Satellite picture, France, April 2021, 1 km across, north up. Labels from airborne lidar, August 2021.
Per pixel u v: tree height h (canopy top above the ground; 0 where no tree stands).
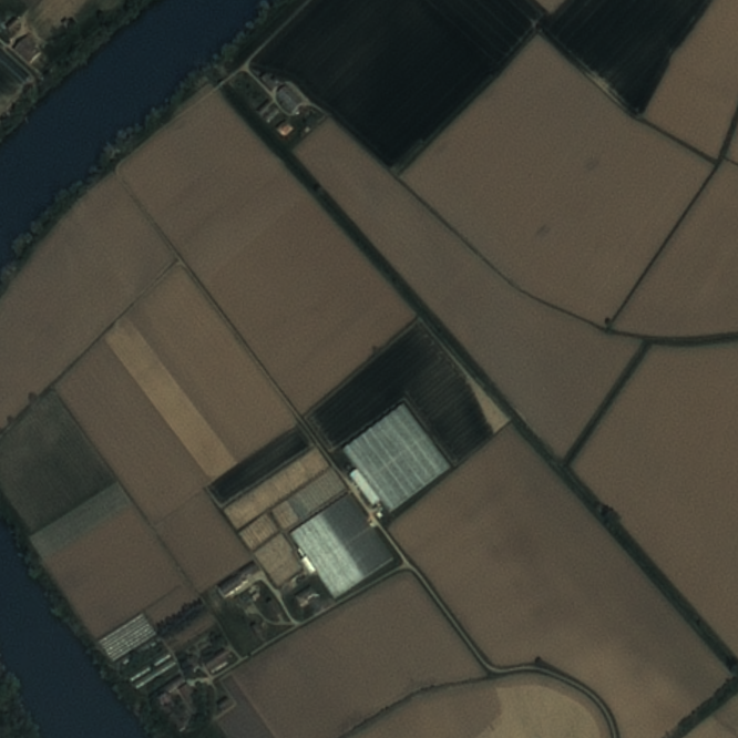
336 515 0
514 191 0
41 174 0
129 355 0
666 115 0
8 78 0
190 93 7
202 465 0
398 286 8
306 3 0
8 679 19
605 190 0
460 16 0
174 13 0
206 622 0
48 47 0
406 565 0
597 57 0
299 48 0
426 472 0
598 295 0
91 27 0
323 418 0
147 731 11
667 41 0
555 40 0
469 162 0
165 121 0
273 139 0
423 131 0
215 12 0
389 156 0
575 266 0
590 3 0
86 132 0
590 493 0
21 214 0
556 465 0
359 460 0
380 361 0
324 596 0
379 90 0
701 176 0
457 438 0
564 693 0
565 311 0
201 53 0
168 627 16
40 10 0
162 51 0
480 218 0
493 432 0
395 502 0
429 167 0
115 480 0
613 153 0
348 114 0
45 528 0
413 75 0
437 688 6
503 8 0
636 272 0
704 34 0
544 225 0
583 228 0
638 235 0
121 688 13
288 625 0
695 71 0
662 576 0
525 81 0
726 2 0
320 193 11
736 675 21
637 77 0
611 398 0
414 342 0
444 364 0
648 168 0
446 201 0
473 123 0
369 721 6
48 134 0
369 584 0
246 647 0
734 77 0
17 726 18
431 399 0
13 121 13
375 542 0
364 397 0
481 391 0
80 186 11
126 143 15
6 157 0
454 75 0
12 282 7
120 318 0
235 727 0
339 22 0
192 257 0
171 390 0
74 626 15
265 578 0
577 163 0
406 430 0
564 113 0
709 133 0
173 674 0
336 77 0
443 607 0
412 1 0
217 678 0
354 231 0
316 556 0
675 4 0
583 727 0
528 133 0
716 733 0
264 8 12
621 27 0
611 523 21
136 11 17
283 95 0
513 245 0
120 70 0
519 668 0
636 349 0
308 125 10
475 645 0
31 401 11
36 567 16
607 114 0
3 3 0
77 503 0
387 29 0
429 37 0
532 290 0
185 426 0
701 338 0
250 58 0
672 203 0
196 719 7
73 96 0
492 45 0
